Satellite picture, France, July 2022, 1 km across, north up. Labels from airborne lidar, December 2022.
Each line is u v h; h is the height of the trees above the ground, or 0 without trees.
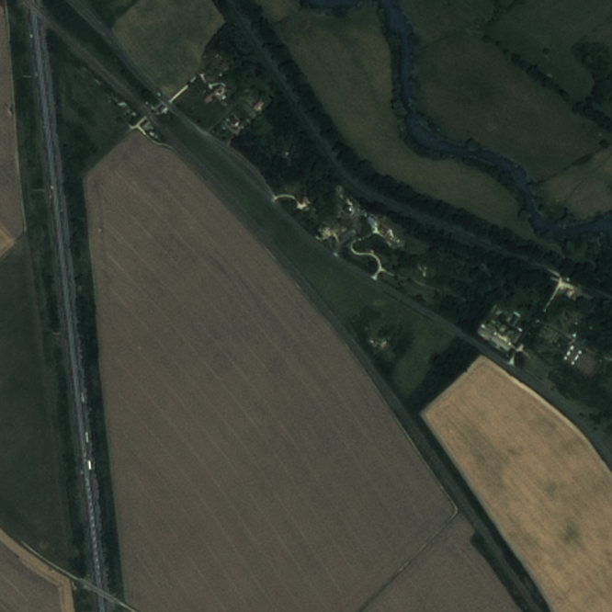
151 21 0
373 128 0
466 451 0
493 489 0
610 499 0
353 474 0
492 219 0
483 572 0
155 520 0
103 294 0
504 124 0
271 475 0
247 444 0
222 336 0
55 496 0
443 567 0
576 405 0
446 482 0
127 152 0
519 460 0
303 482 0
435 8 0
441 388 6
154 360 0
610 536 0
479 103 0
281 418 0
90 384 8
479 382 0
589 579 0
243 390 0
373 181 19
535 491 0
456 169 0
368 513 0
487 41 15
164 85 0
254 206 0
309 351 0
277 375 0
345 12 11
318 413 0
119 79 0
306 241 0
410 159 0
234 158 0
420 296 8
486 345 12
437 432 0
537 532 0
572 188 0
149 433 0
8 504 0
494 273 25
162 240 0
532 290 17
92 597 0
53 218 0
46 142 0
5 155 0
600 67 6
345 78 0
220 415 0
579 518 0
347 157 18
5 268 0
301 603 0
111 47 0
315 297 0
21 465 0
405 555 0
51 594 0
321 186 13
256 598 0
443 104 0
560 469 0
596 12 0
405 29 0
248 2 20
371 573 0
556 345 7
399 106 19
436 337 0
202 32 0
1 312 0
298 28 0
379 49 0
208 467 0
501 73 0
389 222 0
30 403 0
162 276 0
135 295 0
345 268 0
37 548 0
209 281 0
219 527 0
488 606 0
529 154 0
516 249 19
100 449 8
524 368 0
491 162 0
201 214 0
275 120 14
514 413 0
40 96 0
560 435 0
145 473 0
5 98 0
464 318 6
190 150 0
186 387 0
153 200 0
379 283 0
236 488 0
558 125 0
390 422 0
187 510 0
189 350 0
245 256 0
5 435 0
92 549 0
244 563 0
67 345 0
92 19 0
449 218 14
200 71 0
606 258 16
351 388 0
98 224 0
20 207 0
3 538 0
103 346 0
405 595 0
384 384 0
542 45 0
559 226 12
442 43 0
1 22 0
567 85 0
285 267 0
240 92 8
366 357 0
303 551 0
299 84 18
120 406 0
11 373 0
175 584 0
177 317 0
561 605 0
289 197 0
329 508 0
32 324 0
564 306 7
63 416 8
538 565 0
